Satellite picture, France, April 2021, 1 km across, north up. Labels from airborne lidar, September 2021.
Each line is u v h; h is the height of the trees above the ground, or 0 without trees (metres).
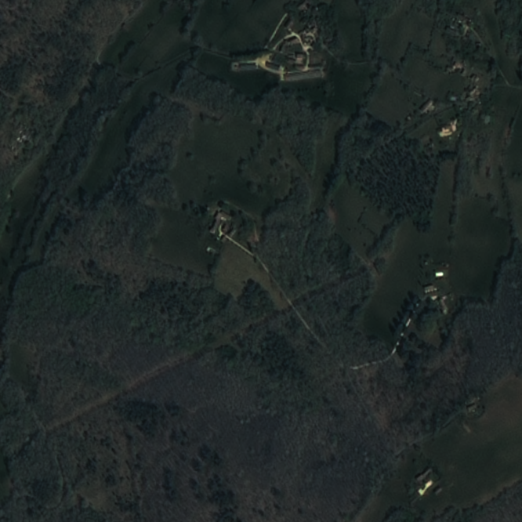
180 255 0
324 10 9
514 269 25
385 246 18
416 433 22
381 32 8
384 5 19
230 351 9
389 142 9
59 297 23
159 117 20
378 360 19
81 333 18
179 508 16
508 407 0
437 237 0
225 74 0
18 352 0
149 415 25
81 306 23
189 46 0
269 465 16
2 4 14
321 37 17
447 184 0
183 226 0
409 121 7
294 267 23
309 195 21
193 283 19
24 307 15
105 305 25
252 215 0
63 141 11
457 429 0
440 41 0
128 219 16
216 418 15
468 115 11
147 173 17
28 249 14
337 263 11
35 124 19
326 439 21
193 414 16
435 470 7
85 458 11
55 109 17
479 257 0
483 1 0
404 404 20
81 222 12
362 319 18
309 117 22
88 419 12
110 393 15
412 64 0
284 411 21
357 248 0
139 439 9
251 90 0
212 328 18
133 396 15
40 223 10
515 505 17
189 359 0
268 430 16
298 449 19
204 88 19
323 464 12
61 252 11
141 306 13
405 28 0
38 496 26
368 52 13
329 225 16
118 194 16
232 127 0
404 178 20
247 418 16
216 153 0
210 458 27
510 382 0
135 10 10
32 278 18
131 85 7
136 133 22
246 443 17
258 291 22
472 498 0
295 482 19
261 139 11
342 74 0
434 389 17
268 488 15
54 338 17
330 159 0
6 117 22
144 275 10
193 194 0
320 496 15
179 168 0
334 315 19
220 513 14
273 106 17
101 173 0
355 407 13
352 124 13
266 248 24
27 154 15
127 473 7
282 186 0
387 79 0
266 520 15
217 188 0
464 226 0
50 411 11
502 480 0
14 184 20
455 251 0
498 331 22
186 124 20
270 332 22
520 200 0
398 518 23
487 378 16
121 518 7
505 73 0
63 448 14
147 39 0
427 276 6
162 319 13
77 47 13
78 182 26
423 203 16
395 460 20
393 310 0
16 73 13
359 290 19
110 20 13
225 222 7
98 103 22
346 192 0
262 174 0
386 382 7
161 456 13
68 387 15
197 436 12
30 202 0
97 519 7
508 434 0
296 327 22
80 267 7
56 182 12
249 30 0
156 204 14
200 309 13
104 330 19
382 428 20
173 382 17
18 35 12
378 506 0
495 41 0
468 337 21
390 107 0
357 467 19
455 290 0
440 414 6
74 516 17
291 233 19
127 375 18
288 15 7
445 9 9
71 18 16
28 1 12
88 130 25
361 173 21
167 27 0
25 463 24
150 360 15
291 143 15
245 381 18
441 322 8
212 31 0
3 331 18
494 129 0
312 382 17
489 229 0
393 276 0
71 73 21
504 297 22
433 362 20
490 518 15
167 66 0
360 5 20
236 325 15
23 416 23
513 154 0
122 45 0
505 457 0
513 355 19
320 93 0
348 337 22
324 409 19
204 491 12
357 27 0
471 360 17
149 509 12
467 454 0
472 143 13
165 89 0
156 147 20
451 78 0
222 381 18
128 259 12
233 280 0
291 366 23
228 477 14
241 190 0
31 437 11
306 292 24
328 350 17
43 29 11
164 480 13
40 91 18
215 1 0
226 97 20
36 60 20
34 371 11
